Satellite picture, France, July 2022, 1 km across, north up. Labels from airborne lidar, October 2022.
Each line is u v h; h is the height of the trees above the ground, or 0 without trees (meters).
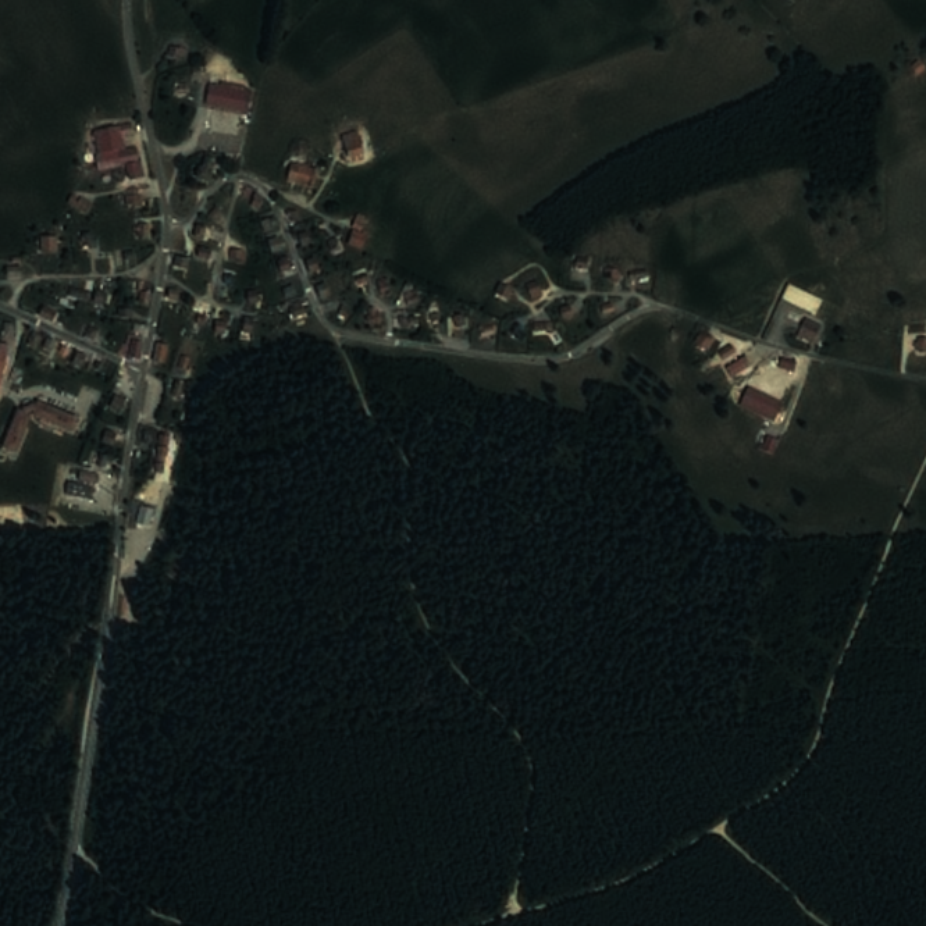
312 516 32
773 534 28
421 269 0
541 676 26
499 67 0
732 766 15
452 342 0
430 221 0
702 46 0
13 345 0
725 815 15
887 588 9
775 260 0
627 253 0
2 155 0
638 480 29
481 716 20
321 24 0
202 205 0
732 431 0
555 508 20
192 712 39
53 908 27
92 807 7
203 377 0
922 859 17
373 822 12
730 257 0
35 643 34
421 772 13
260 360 21
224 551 34
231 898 18
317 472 34
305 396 24
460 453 12
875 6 0
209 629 37
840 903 16
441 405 12
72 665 10
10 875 10
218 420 31
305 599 30
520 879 8
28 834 28
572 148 0
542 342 0
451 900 21
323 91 0
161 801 30
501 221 0
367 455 31
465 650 25
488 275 0
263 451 8
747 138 12
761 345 0
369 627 26
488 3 0
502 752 19
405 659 26
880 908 19
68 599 37
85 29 0
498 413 7
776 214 0
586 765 16
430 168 0
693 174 10
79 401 0
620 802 13
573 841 15
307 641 29
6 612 36
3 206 0
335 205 14
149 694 37
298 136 0
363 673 13
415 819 17
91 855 11
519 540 34
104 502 0
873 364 0
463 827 18
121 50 0
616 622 20
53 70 0
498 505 25
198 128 0
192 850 16
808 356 0
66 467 0
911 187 0
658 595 26
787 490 0
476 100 0
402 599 24
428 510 30
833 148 18
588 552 23
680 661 28
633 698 19
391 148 0
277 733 22
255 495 30
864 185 15
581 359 0
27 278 0
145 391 0
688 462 0
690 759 18
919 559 5
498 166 0
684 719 23
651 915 18
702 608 24
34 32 0
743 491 0
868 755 16
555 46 0
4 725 17
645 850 18
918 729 16
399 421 13
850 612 12
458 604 17
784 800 16
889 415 0
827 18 0
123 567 0
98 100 0
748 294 0
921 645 7
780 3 0
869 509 0
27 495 0
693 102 0
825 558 8
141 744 32
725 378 0
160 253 0
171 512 7
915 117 0
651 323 0
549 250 12
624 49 0
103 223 0
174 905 12
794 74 10
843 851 16
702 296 0
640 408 16
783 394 0
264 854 17
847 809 19
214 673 32
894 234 0
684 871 17
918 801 15
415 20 0
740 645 22
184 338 0
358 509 28
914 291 0
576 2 0
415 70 0
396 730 16
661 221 0
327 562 27
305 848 11
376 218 0
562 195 15
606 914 13
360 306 8
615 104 0
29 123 0
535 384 0
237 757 43
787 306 0
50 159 0
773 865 18
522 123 0
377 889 12
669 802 12
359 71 0
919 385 0
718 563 37
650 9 0
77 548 36
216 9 0
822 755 14
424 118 0
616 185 15
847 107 14
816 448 0
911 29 0
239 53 0
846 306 0
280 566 37
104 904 28
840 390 0
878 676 12
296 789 19
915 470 0
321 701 16
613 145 0
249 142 0
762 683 8
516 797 21
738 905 20
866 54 0
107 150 0
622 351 0
